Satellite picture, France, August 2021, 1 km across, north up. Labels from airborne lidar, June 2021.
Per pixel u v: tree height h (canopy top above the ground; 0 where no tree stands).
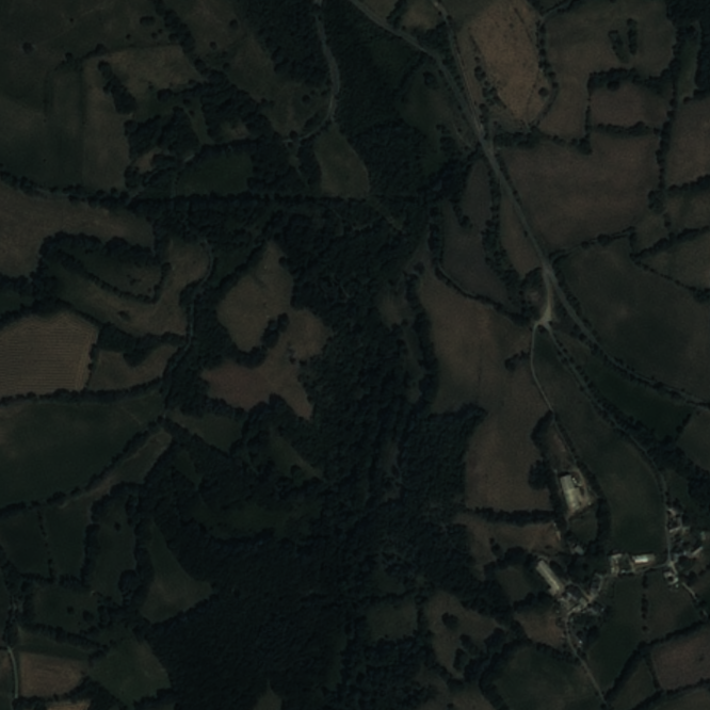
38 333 0
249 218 12
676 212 0
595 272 0
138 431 0
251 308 0
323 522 14
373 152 14
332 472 16
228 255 7
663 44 0
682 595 0
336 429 14
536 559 11
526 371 0
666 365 0
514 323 11
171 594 0
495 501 0
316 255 6
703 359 0
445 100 0
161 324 0
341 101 8
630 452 0
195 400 15
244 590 23
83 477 0
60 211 0
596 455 0
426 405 15
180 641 20
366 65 6
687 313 0
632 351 0
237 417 16
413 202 19
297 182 20
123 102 12
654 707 9
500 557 8
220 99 16
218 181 0
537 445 11
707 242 0
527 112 0
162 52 0
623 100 0
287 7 6
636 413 0
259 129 17
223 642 23
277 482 7
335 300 20
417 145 14
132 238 0
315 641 28
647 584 7
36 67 0
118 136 0
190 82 8
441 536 22
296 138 16
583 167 0
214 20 0
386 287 0
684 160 0
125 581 16
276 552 23
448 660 0
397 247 28
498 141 6
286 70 11
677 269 0
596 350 15
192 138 22
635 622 0
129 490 14
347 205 12
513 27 0
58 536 0
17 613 8
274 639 31
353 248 21
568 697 0
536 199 0
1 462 0
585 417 0
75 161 0
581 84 0
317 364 13
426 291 0
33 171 0
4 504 0
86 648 11
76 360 0
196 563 22
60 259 13
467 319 0
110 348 13
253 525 0
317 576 35
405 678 14
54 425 0
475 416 10
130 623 15
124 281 0
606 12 0
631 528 0
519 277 10
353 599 15
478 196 0
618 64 0
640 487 0
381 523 16
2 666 0
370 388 23
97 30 0
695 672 0
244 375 0
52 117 0
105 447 0
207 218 24
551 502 7
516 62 0
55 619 0
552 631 0
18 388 0
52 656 0
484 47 0
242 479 24
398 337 11
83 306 0
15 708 13
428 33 8
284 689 23
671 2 11
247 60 0
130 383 0
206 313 21
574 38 0
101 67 12
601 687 0
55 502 10
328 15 6
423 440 12
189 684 25
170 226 17
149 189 15
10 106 0
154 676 0
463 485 8
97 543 17
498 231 7
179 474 12
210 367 16
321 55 9
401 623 0
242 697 25
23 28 0
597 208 0
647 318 0
